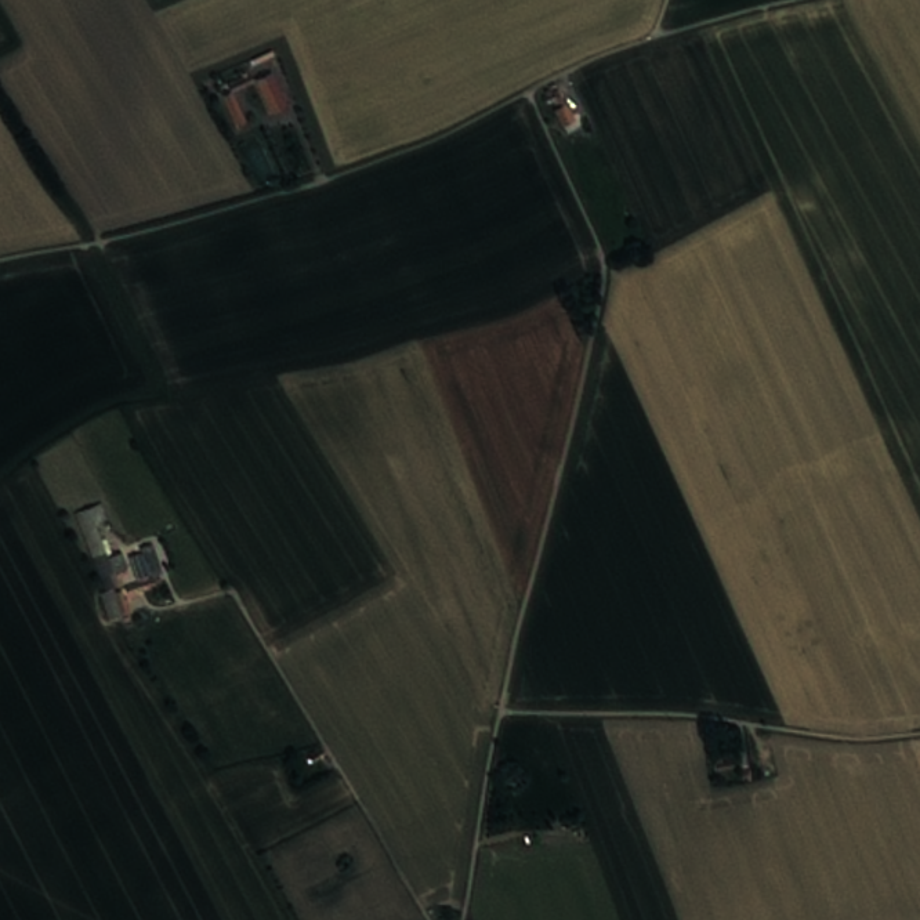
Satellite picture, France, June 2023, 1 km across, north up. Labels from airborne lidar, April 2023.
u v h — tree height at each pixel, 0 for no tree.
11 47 0
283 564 0
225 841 0
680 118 0
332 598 0
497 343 0
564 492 0
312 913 0
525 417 0
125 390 0
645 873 0
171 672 0
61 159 0
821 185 0
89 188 0
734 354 0
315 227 0
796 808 0
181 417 0
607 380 0
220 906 0
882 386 0
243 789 0
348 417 0
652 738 0
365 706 0
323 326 0
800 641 0
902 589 0
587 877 0
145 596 0
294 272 0
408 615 0
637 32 0
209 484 0
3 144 0
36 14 0
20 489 0
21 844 0
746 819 0
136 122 0
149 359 0
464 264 0
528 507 0
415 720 0
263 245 0
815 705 0
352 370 0
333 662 0
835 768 0
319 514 0
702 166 0
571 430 0
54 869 0
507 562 0
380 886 0
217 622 0
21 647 0
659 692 0
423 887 0
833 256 0
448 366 0
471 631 0
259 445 0
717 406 0
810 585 0
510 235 0
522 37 0
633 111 0
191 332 0
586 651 0
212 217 0
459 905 0
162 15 0
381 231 0
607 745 0
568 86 0
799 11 0
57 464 0
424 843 0
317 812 0
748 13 0
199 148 0
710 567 0
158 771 0
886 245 0
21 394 0
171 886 0
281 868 0
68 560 0
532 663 0
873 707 0
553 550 0
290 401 0
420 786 0
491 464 0
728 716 0
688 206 0
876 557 0
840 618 0
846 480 0
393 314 0
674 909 0
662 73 0
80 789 0
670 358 0
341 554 0
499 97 0
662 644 0
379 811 0
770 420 0
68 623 0
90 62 0
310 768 0
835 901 0
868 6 0
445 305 0
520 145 0
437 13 0
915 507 0
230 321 0
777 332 0
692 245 0
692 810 0
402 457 0
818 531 0
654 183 0
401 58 0
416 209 0
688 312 0
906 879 0
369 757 0
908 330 0
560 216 0
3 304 0
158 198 0
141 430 0
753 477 0
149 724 0
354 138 0
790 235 0
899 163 0
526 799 0
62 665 0
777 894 0
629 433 0
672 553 0
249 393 0
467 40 0
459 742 0
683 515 0
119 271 0
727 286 0
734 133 0
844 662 0
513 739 0
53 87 0
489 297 0
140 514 0
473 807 0
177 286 0
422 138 0
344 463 0
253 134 0
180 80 0
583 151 0
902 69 0
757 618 0
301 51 0
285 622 0
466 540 0
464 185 0
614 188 0
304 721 0
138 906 0
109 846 0
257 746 0
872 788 0
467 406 0
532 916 0
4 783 0
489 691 0
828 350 0
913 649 0
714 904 0
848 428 0
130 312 0
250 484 0
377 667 0
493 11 0
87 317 0
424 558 0
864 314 0
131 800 0
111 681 0
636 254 19
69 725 0
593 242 0
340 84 0
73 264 0
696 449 0
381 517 0
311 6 0
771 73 0
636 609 0
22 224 0
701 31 0
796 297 0
